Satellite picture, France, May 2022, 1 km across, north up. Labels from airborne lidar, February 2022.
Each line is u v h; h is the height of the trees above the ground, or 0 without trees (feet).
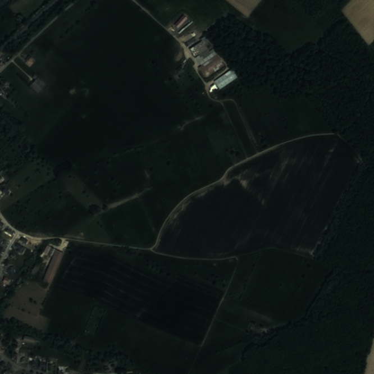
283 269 0
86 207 0
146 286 0
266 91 0
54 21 0
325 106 67
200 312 0
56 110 0
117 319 0
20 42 39
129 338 0
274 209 0
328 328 56
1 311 28
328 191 0
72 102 0
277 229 0
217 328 0
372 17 0
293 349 60
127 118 0
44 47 0
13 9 0
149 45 0
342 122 69
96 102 0
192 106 0
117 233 0
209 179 0
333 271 27
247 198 0
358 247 67
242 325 0
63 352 69
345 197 43
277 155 0
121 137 0
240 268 0
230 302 0
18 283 21
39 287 0
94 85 0
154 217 0
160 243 0
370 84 43
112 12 0
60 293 0
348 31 66
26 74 0
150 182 0
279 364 50
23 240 0
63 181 0
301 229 0
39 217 0
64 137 0
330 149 0
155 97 0
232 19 69
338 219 54
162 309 0
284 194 0
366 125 79
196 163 0
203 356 0
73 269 0
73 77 0
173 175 0
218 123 0
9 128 51
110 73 0
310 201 0
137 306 0
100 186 0
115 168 0
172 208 0
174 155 0
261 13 0
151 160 0
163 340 0
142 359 0
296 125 0
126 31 0
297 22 0
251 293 0
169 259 0
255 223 0
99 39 0
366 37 0
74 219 0
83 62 0
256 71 79
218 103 0
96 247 0
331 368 57
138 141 0
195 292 0
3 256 0
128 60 0
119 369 40
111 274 0
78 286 0
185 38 0
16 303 0
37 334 60
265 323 0
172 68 0
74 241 0
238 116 0
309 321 60
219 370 0
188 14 0
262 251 0
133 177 0
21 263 0
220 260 0
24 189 0
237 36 80
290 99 69
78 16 0
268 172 0
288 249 0
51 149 0
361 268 62
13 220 0
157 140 0
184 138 0
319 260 42
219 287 0
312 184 0
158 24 0
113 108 0
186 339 0
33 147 50
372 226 66
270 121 0
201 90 0
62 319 0
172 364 0
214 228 0
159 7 0
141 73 0
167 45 0
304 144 0
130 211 0
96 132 0
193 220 0
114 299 0
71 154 0
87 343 0
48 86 0
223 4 0
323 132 0
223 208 0
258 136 0
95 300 0
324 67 89
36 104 0
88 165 0
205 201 0
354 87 55
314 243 0
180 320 0
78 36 0
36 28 47
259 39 93
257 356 53
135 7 0
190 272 0
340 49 67
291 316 0
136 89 0
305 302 0
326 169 0
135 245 0
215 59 0
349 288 64
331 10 0
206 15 0
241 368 0
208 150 0
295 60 85
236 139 0
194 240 0
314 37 0
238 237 0
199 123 0
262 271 0
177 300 0
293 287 0
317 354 59
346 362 63
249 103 0
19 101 0
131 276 0
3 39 0
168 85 0
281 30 0
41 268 0
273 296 0
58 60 0
